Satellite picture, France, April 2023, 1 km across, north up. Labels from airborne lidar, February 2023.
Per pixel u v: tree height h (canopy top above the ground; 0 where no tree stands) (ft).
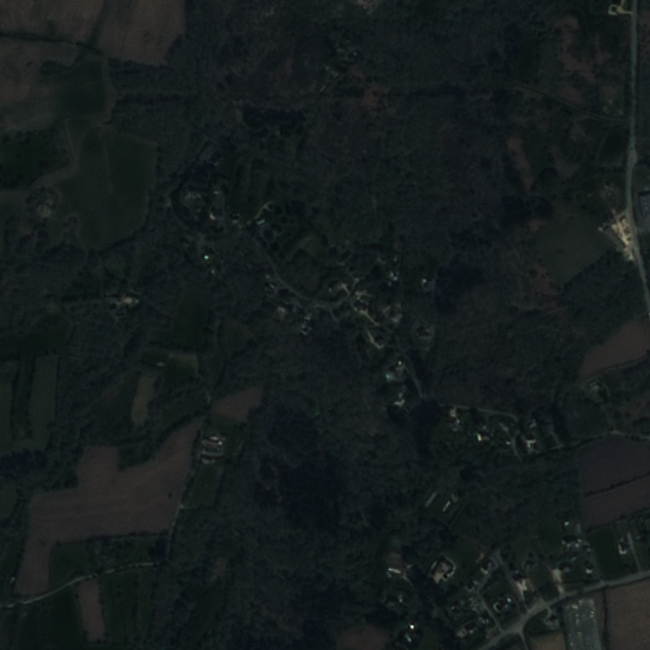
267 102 25
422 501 20
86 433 32
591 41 0
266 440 39
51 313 0
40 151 0
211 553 58
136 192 0
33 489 77
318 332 68
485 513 44
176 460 0
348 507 70
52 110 0
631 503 0
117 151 0
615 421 36
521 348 35
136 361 38
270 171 57
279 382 36
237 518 53
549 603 0
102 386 48
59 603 0
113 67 32
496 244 46
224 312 36
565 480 22
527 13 26
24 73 0
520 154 0
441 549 28
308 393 47
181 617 65
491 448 21
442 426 0
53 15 0
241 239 28
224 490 37
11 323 25
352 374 65
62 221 0
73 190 0
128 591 0
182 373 0
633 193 40
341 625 51
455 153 0
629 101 29
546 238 0
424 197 37
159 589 38
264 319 68
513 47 54
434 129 36
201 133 46
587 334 29
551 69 32
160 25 0
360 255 41
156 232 45
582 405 31
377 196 55
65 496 0
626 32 0
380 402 44
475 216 35
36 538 0
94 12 0
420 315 42
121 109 30
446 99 52
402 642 29
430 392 29
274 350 49
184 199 0
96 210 0
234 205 0
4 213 0
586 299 39
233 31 27
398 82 39
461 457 23
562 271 0
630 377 32
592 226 0
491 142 23
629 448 0
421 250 32
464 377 20
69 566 0
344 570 41
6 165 0
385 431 54
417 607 49
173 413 0
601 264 22
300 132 51
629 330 0
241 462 21
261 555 40
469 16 30
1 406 0
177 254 49
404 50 42
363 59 47
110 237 0
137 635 28
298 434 65
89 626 0
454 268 45
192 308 0
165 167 34
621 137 0
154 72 47
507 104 61
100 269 45
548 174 32
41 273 56
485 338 29
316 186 58
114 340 42
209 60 70
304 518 81
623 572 20
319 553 73
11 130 0
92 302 27
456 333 28
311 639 61
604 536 0
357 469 66
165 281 57
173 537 28
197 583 30
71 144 0
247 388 44
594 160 25
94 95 0
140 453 0
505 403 26
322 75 25
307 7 31
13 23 0
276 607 54
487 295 48
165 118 46
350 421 54
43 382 0
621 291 38
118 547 24
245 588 44
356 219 55
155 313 31
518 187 32
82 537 0
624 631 0
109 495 0
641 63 24
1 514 0
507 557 22
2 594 31
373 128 20
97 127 0
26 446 0
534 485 39
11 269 26
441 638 27
